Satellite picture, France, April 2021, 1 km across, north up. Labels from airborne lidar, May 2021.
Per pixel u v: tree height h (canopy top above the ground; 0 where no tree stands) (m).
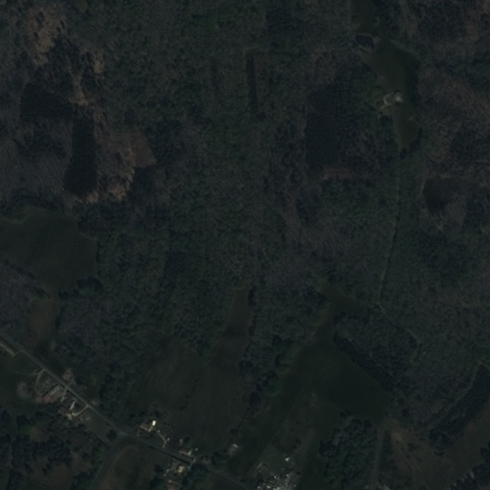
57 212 21
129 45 10
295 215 11
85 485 21
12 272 16
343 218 17
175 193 13
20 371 0
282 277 18
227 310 18
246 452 0
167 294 24
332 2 17
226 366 0
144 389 0
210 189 19
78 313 21
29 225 0
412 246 21
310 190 14
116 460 0
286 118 13
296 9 19
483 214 30
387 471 0
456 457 0
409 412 14
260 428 0
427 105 20
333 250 19
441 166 6
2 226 0
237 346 0
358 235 23
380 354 26
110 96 17
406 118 0
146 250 18
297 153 9
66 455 21
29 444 17
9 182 17
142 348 25
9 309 13
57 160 10
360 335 20
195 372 0
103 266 23
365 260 23
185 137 16
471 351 17
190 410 0
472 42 10
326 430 0
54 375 0
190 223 28
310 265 18
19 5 10
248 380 18
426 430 11
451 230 16
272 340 22
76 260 0
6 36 19
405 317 17
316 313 16
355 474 14
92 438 11
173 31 18
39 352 0
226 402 0
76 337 13
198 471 20
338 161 15
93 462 9
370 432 23
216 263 18
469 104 12
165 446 0
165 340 0
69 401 0
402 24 13
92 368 17
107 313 25
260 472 0
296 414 0
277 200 11
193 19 14
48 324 0
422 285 16
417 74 7
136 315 22
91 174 11
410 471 0
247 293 0
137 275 21
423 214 15
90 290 22
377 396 0
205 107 23
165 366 0
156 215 23
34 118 9
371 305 15
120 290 21
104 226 15
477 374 8
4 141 16
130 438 0
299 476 7
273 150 13
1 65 8
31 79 8
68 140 11
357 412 0
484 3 18
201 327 16
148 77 12
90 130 10
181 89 16
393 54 0
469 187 0
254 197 14
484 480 19
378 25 10
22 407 0
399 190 21
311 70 13
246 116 18
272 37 19
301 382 0
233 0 16
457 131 6
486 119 12
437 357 18
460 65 18
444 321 15
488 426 0
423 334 21
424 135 18
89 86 24
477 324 14
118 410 19
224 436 0
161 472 18
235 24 20
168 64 9
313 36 22
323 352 0
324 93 16
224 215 17
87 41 14
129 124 17
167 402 0
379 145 15
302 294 25
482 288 11
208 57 16
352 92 23
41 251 0
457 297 14
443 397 21
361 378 0
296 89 20
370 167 23
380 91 14
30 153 12
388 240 21
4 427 26
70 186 11
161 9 13
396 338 16
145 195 10
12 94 16
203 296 23
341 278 20
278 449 0
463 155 11
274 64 12
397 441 0
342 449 15
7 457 23
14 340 18
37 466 0
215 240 21
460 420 10
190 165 14
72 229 0
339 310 0
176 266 29
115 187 10
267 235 17
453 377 15
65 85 20
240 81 21
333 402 0
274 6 17
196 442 0
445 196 0
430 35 20
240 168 19
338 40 20
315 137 15
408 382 23
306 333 22
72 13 16
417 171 15
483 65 20
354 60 20
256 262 24
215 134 21
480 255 19
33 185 15
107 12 12
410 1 19
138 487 0
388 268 15
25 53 13
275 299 15
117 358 20
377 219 19
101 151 15
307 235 15
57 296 0
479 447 0
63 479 0
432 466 0
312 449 0
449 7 21
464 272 23
